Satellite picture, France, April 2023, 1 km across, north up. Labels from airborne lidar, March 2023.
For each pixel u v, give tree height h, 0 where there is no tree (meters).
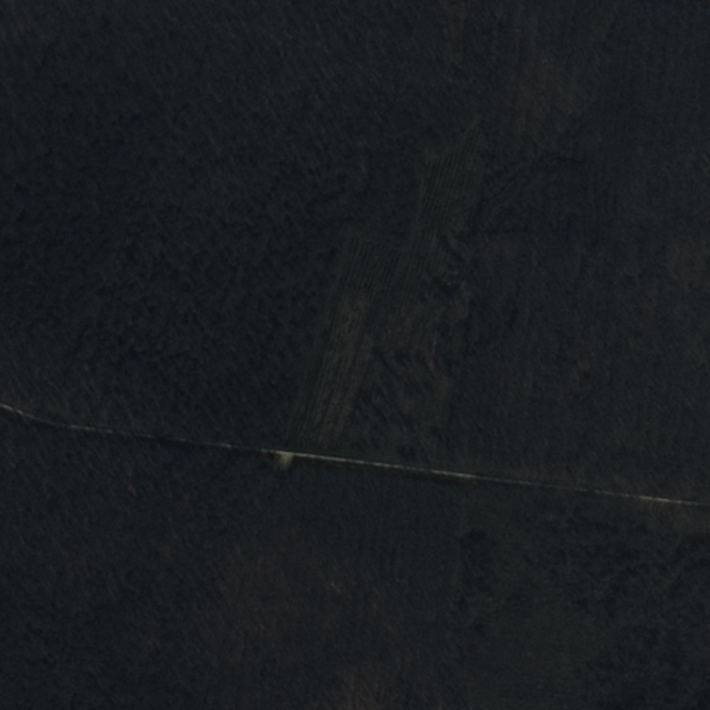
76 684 25
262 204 25
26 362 29
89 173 28
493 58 19
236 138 32
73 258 24
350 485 17
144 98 25
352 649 16
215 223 27
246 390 23
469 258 22
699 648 0
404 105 22
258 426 27
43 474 26
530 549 0
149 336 10
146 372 29
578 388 15
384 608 20
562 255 18
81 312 27
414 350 0
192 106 31
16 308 31
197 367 22
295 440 0
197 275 28
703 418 21
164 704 19
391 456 0
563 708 0
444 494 18
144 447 29
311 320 20
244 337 30
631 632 0
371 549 14
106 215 25
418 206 26
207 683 21
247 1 26
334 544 19
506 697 0
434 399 28
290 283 29
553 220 12
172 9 29
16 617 24
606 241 13
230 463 24
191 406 24
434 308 26
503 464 19
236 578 25
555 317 19
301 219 27
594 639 0
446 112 27
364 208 26
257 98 30
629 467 23
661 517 20
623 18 18
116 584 24
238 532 24
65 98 25
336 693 18
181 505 27
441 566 15
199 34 29
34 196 28
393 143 22
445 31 24
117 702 20
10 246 27
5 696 24
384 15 28
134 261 30
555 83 15
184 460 24
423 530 17
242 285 26
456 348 26
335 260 26
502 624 0
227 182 30
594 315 17
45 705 24
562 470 18
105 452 26
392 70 29
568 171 21
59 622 21
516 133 19
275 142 28
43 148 24
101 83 27
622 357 20
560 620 0
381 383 0
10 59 25
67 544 28
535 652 0
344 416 0
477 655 0
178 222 32
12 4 24
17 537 29
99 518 28
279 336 26
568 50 14
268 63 31
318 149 27
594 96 21
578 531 14
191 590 21
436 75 24
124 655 24
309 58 25
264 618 15
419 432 27
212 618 25
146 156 25
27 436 25
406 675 13
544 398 16
